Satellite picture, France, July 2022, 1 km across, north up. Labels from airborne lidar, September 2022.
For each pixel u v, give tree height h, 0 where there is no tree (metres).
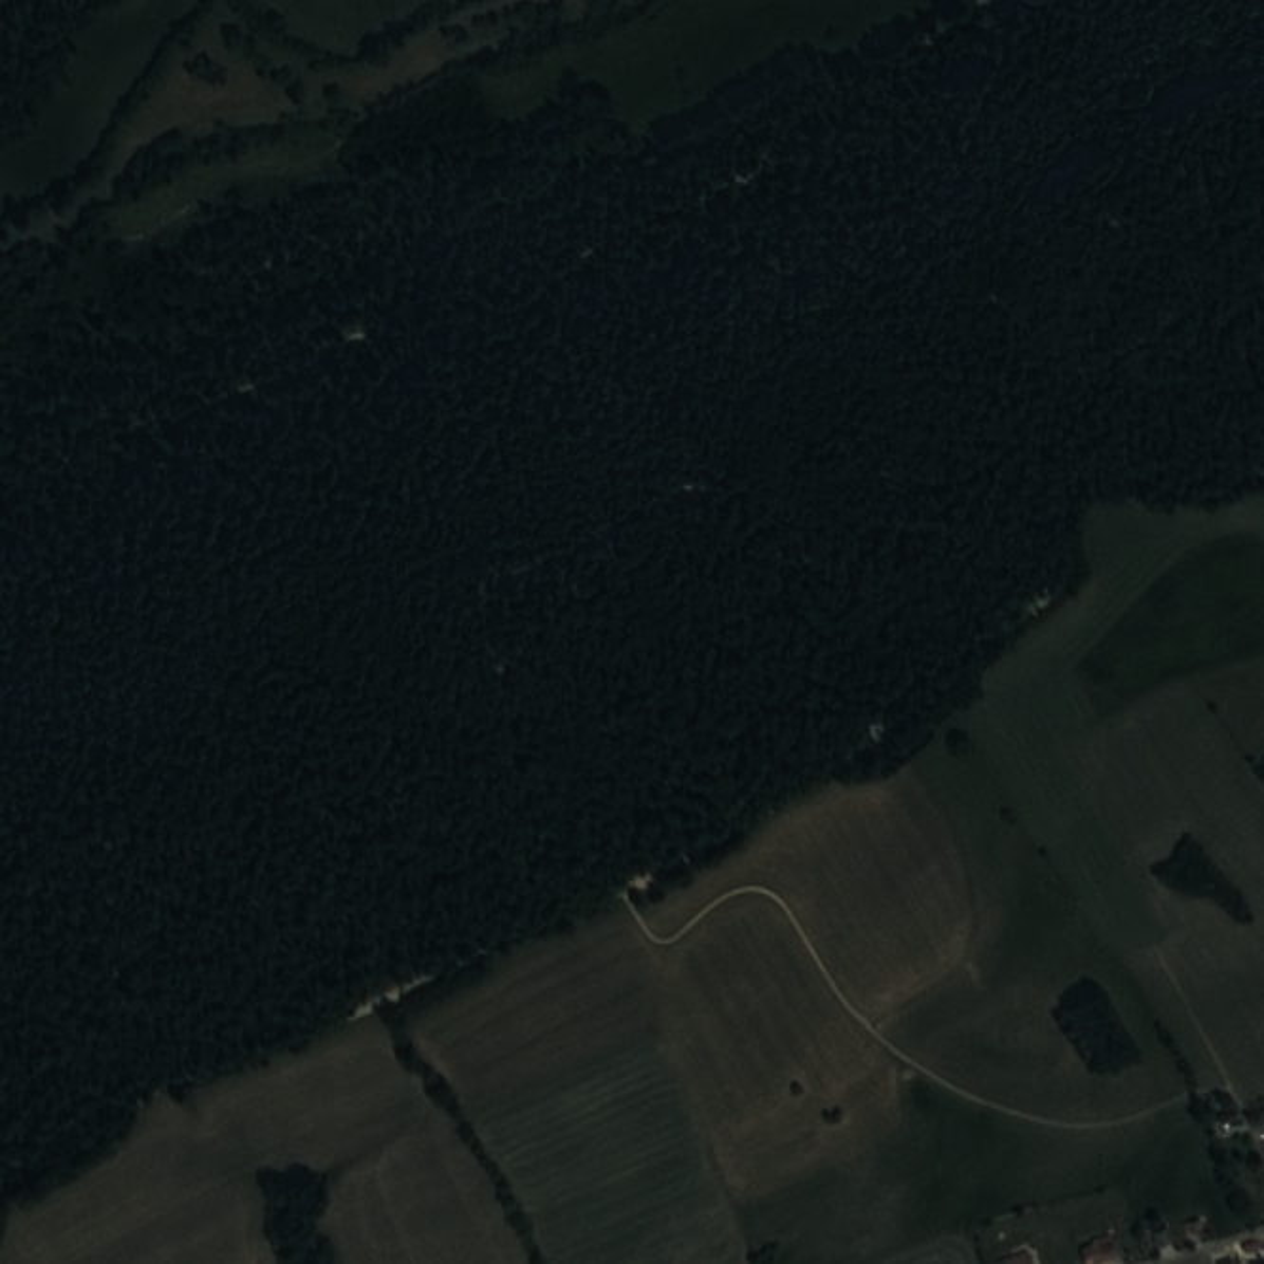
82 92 0
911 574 22
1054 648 0
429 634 19
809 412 22
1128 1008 0
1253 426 31
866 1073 0
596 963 0
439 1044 0
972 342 21
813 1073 0
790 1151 0
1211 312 21
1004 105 28
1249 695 0
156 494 40
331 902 24
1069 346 10
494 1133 0
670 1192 0
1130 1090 0
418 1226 0
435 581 17
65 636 29
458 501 38
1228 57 25
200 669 24
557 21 8
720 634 17
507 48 13
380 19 0
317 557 33
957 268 29
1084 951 0
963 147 24
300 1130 0
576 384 30
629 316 27
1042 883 0
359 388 34
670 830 26
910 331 30
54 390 35
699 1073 0
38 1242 0
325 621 33
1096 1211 0
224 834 22
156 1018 19
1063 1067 0
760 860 0
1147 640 0
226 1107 0
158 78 7
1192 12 29
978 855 0
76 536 8
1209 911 0
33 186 0
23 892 15
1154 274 21
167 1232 0
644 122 0
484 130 12
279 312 8
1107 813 0
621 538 25
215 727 24
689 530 25
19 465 36
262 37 7
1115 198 21
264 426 7
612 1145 0
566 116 19
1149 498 22
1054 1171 0
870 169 32
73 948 19
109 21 0
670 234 16
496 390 29
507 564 17
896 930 0
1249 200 25
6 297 8
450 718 17
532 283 36
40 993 18
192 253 18
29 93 32
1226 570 0
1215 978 0
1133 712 0
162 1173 0
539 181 25
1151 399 19
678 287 39
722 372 30
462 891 29
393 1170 0
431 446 29
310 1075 0
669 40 0
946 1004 0
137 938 25
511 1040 0
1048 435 30
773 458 19
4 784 28
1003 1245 0
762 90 28
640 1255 0
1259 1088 0
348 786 27
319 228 10
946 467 26
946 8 23
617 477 30
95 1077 23
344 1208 0
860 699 29
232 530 22
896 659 30
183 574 30
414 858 25
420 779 26
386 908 28
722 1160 0
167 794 22
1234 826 0
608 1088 0
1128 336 25
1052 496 27
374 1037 0
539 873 24
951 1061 0
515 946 7
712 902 0
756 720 29
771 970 0
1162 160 15
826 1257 0
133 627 25
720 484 31
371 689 25
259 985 24
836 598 21
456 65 7
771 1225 0
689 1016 0
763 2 0
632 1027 0
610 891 10
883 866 0
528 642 19
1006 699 0
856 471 21
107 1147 21
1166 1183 0
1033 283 14
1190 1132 0
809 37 0
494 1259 0
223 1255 0
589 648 16
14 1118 27
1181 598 0
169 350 17
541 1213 0
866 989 0
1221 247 21
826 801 0
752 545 28
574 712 27
